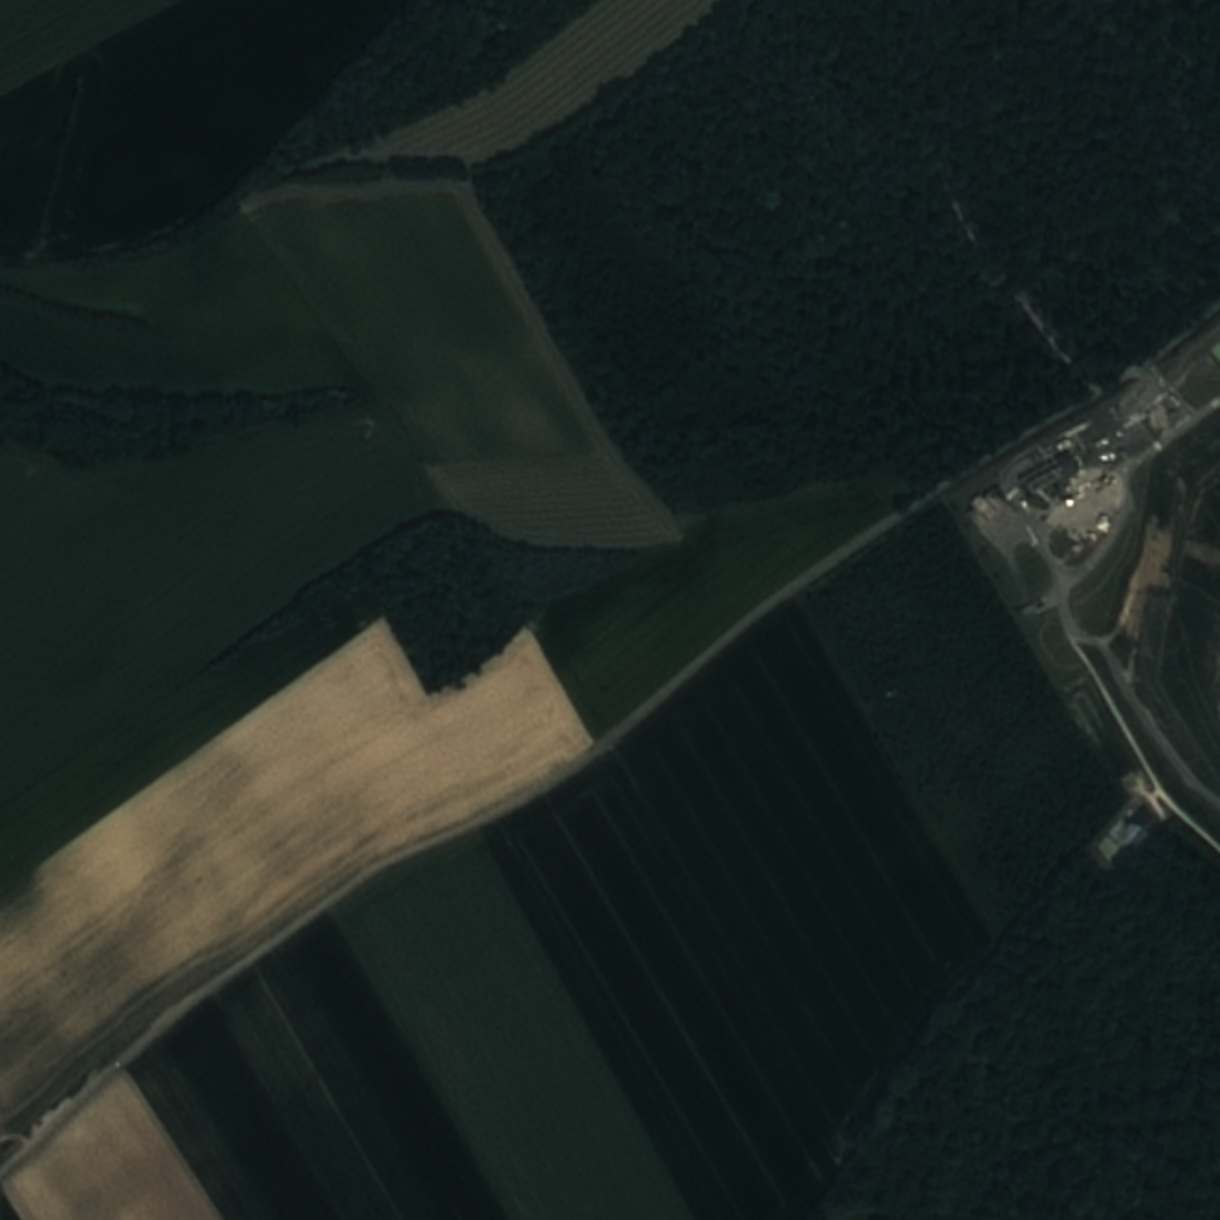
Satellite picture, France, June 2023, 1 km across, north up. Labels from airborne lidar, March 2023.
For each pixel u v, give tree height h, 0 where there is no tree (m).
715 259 21
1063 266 27
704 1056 0
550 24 16
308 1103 0
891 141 16
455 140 0
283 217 0
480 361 0
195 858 0
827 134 20
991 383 25
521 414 0
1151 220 27
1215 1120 22
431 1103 0
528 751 0
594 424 0
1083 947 12
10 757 0
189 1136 0
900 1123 20
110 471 0
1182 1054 20
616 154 24
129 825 0
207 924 0
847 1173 11
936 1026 11
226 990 0
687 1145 0
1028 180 21
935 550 10
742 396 11
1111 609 0
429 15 17
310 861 0
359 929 0
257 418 9
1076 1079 12
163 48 0
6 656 0
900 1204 10
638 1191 0
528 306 0
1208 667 0
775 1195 0
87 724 0
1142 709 0
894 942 0
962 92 24
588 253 9
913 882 0
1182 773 0
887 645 7
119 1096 0
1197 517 0
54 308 6
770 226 20
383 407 0
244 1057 0
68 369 0
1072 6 19
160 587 0
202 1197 0
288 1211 0
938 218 24
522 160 10
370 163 8
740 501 7
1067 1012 17
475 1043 0
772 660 0
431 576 9
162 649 0
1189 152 20
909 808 0
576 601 0
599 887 0
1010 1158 10
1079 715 0
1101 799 9
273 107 0
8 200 0
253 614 0
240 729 0
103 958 0
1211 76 24
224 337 0
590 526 0
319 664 0
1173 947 15
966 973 0
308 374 0
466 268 0
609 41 0
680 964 0
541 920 0
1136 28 26
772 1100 0
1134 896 13
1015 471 0
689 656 0
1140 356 18
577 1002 0
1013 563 0
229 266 0
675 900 0
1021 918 8
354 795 0
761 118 18
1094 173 21
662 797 0
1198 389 0
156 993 0
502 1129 0
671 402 9
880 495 0
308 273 0
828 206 20
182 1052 0
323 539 0
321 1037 0
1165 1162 22
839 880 0
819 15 19
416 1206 0
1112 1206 19
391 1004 0
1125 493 0
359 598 0
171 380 0
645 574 0
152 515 0
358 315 0
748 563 0
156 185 0
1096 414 0
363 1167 0
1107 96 17
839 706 0
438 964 0
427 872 0
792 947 0
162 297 0
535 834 0
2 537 0
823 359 22
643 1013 0
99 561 0
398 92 15
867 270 20
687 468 17
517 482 0
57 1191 0
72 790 0
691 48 15
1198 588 0
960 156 21
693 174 24
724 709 0
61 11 0
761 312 26
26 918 0
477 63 19
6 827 0
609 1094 0
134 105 0
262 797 0
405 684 0
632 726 0
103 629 0
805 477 12
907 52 17
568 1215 0
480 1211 0
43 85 0
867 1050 0
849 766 0
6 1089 0
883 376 16
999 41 23
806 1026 0
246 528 0
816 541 0
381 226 0
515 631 8
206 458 0
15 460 0
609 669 0
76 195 0
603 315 12
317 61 0
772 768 0
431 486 0
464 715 0
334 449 0
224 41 0
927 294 23
